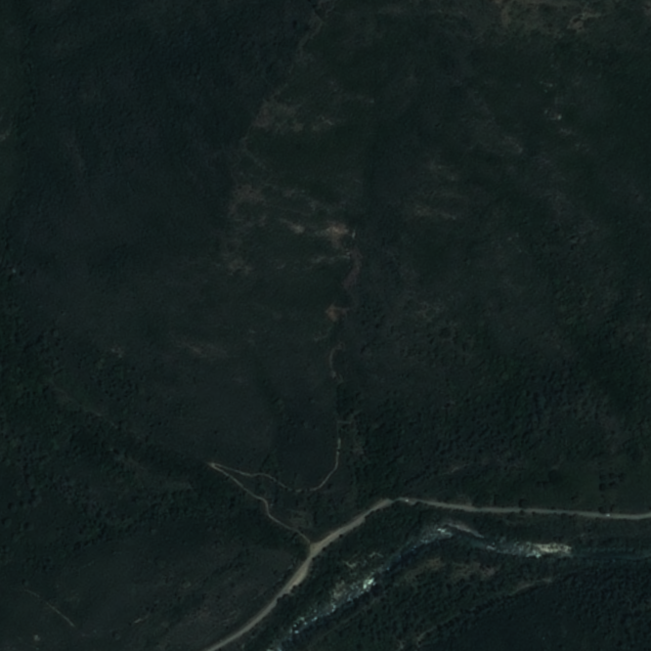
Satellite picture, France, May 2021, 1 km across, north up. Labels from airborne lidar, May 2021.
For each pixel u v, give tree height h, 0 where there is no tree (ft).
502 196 26
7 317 48
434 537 0
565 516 36
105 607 0
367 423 50
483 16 0
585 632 31
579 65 18
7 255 40
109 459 44
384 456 52
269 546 39
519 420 62
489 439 37
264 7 19
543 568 20
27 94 26
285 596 28
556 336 29
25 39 30
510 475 57
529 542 26
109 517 71
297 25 34
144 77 17
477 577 33
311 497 41
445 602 59
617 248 18
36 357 55
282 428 35
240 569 39
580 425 26
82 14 18
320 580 53
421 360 27
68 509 18
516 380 34
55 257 29
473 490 25
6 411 32
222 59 18
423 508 45
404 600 21
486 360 29
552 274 28
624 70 21
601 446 28
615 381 42
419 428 21
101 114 22
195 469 60
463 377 19
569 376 33
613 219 22
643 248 17
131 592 0
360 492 38
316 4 33
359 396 43
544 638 20
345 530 0
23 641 0
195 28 17
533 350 18
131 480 33
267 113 0
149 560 26
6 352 62
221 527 27
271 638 20
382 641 46
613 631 48
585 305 36
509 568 48
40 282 0
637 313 17
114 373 32
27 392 26
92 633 0
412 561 74
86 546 33
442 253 18
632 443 31
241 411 0
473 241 20
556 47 19
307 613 34
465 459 37
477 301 20
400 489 29
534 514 19
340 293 21
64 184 20
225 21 20
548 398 38
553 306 19
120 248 18
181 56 19
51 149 19
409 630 67
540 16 0
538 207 19
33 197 19
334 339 19
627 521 19
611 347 47
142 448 61
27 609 0
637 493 0
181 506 34
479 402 20
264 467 40
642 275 21
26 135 22
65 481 71
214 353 0
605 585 71
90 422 63
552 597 20
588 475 0
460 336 47
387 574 48
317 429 32
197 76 32
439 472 45
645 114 20
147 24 22
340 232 0
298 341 0
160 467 58
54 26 23
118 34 26
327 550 51
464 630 29
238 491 31
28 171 24
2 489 28
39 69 37
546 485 57
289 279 0
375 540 27
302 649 33
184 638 0
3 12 17
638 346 27
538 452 35
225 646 0
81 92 19
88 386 27
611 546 42
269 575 0
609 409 23
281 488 36
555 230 19
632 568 30
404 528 39
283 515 0
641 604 56
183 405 27
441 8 26
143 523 29
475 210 17
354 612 29
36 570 25
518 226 24
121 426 21
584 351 33
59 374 18
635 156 20
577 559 28
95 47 22
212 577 26
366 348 38
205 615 0
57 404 65
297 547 65
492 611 43
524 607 25
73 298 0
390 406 40
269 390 26
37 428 31
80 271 0
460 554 47
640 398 29
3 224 31
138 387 39
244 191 0
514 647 18
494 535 44
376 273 0
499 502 43
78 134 19
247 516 58
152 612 27
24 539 37
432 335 25
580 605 21
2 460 37
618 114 19
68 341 22
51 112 19
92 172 18
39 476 47
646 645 22
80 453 33
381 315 31
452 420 28
